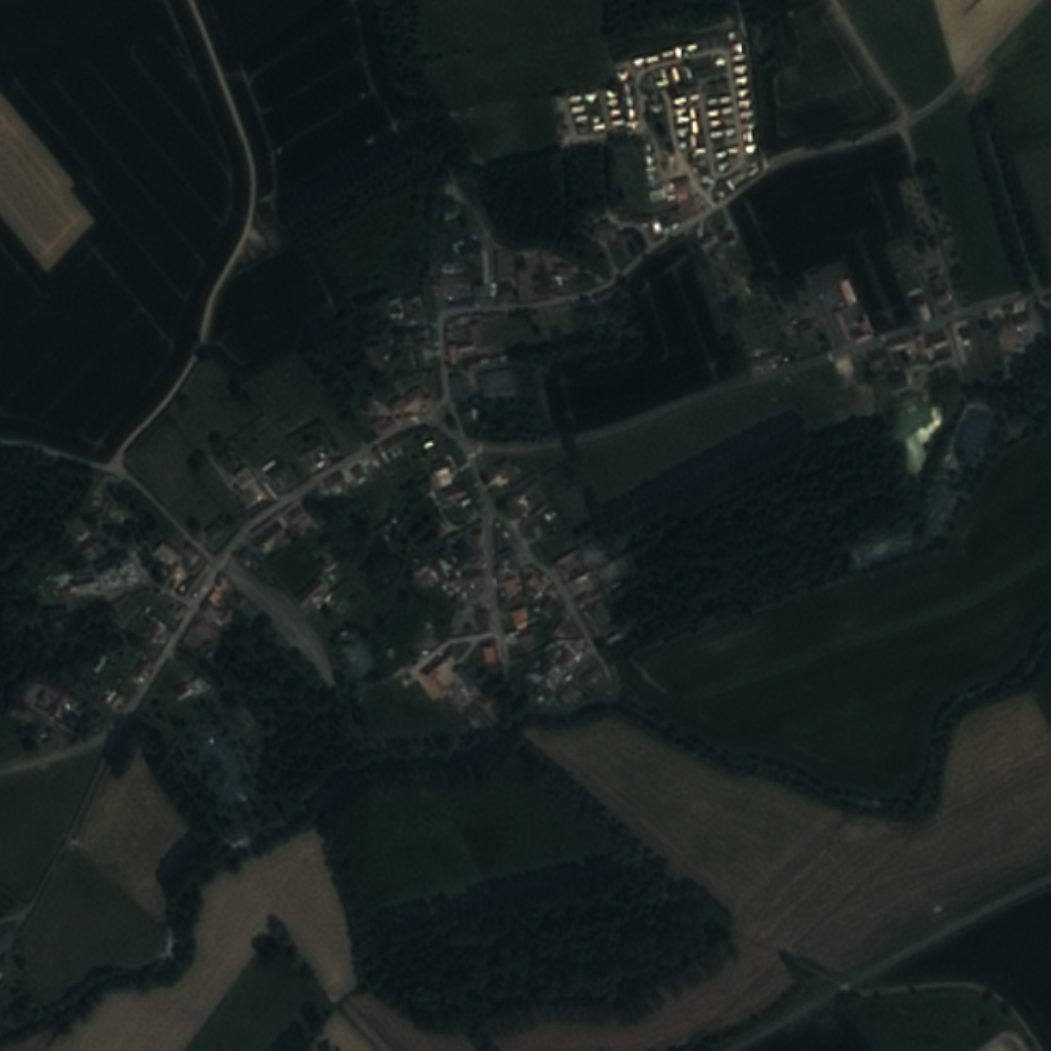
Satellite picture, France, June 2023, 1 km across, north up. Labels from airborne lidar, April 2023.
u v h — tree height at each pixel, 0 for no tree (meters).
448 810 0
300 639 0
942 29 0
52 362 0
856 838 0
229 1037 0
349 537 22
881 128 0
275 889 0
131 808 0
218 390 0
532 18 0
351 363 8
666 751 0
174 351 0
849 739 0
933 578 0
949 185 0
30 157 0
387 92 0
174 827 0
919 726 0
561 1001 32
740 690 0
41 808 0
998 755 0
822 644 0
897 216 0
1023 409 19
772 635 0
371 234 0
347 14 0
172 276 0
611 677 0
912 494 15
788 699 0
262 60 0
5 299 0
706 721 0
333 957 0
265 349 0
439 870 0
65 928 0
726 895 0
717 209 0
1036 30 0
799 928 0
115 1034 0
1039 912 0
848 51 0
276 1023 0
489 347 0
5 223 0
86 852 0
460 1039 0
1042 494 0
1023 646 0
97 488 0
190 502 0
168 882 28
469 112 0
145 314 0
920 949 0
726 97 0
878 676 0
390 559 29
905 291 0
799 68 0
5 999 0
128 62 0
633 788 0
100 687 0
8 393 0
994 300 0
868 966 0
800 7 0
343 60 0
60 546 19
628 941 31
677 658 0
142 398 0
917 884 0
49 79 0
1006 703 0
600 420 0
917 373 0
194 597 0
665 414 0
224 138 0
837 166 0
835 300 0
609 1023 0
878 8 0
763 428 0
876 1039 0
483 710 0
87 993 14
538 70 0
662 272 0
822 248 0
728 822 0
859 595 0
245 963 0
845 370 0
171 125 0
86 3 0
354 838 0
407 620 0
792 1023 0
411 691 0
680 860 0
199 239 0
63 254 0
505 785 0
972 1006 0
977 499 0
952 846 0
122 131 0
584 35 0
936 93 0
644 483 0
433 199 12
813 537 17
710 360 0
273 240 0
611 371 0
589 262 0
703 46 0
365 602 0
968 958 0
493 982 28
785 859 0
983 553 0
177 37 0
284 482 0
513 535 0
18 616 19
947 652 0
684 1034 0
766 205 0
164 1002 0
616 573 0
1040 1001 0
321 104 0
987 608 0
